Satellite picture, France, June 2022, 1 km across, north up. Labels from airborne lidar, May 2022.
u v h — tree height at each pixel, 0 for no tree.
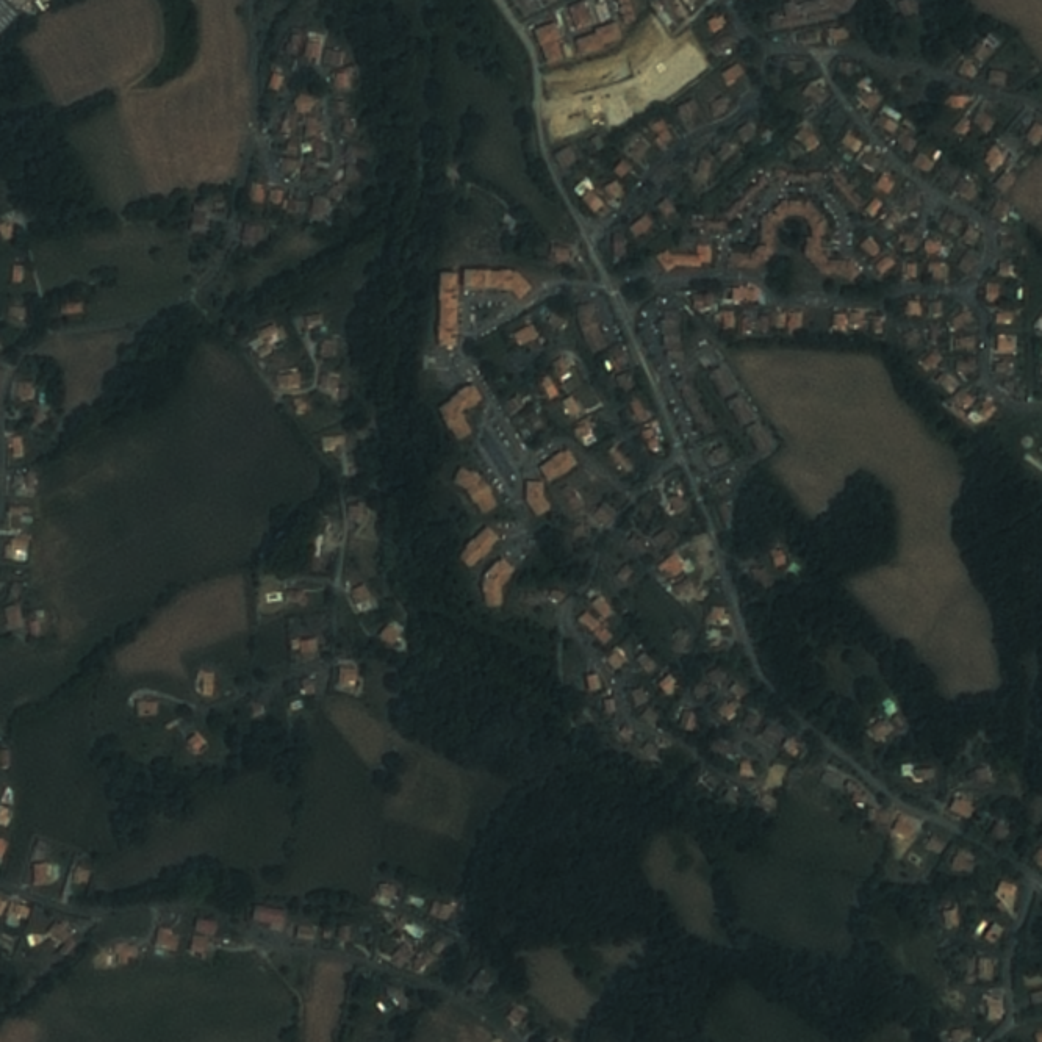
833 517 14
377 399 22
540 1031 7
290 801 0
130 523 0
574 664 0
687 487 7
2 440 0
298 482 0
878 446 0
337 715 0
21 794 0
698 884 0
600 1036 17
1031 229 9
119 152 0
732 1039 0
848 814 7
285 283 22
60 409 10
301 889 0
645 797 26
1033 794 6
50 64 0
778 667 17
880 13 19
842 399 0
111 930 0
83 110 11
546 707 19
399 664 17
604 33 0
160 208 19
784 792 12
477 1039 0
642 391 9
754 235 10
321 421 0
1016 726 24
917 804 8
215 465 0
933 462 0
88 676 13
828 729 5
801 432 0
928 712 23
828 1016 21
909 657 17
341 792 0
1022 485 12
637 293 21
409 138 22
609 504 7
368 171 16
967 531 15
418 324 13
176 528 0
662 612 0
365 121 12
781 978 22
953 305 6
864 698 17
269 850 0
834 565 23
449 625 15
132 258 0
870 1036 8
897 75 0
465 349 9
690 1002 27
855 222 8
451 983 14
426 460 23
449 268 0
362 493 12
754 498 18
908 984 18
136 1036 0
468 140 9
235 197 6
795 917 0
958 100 0
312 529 23
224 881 25
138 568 0
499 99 0
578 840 23
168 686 0
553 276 0
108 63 0
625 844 24
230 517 0
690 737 13
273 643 0
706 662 16
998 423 11
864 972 16
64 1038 0
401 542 21
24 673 0
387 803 0
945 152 7
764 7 17
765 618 9
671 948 24
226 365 0
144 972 0
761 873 0
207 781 8
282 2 8
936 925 9
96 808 0
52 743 0
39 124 22
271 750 19
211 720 11
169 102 0
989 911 10
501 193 9
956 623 0
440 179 22
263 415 0
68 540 0
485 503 0
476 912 19
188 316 16
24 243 18
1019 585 12
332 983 0
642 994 18
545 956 0
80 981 0
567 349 0
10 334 18
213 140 0
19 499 0
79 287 13
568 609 0
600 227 0
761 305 10
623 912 20
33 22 7
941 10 24
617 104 6
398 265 24
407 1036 8
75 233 21
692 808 21
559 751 27
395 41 27
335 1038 7
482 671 15
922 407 19
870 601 0
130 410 17
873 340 7
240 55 0
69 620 0
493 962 10
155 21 0
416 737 19
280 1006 0
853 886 0
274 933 0
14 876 0
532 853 28
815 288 0
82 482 0
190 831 0
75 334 0
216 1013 0
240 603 0
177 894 18
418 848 0
